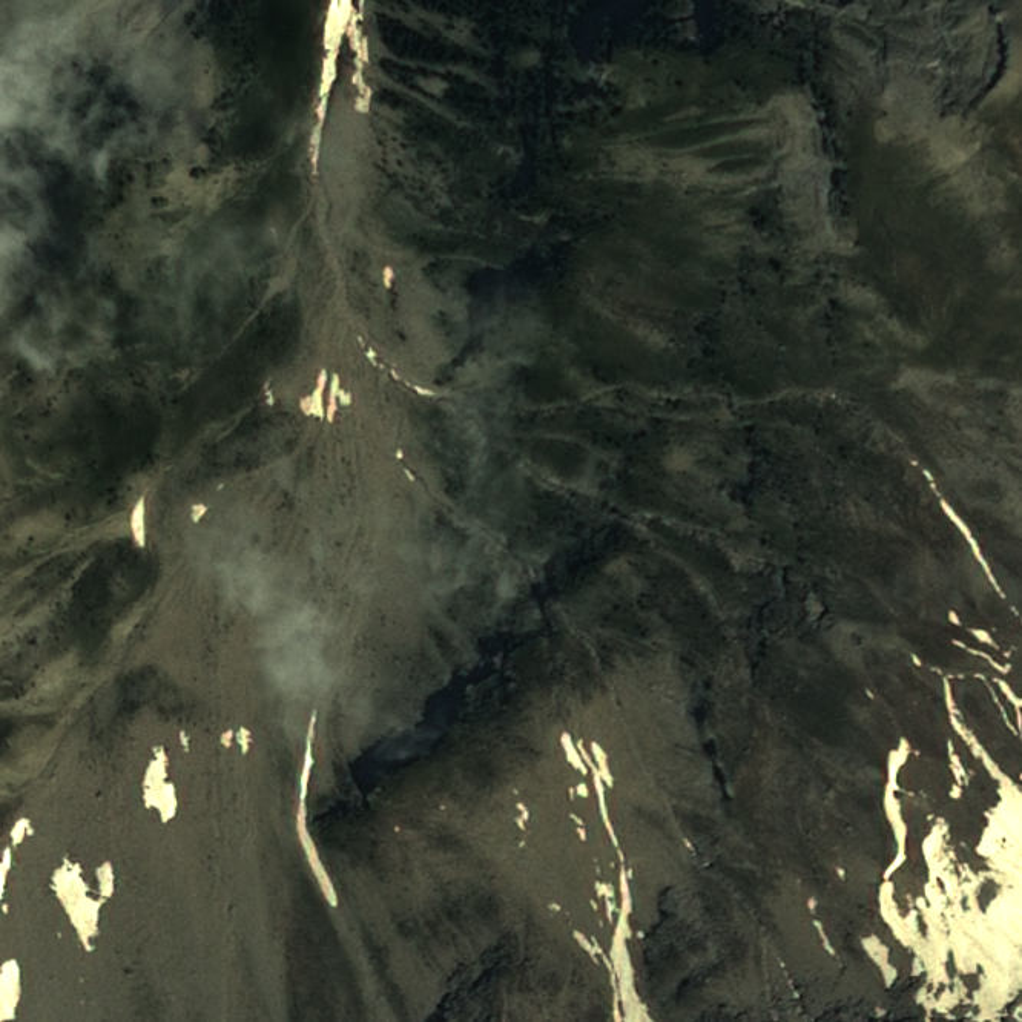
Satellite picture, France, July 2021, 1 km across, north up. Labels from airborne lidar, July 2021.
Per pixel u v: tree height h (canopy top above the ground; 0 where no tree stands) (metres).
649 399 0
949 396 0
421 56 9
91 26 0
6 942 0
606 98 12
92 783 0
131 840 0
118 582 0
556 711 0
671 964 0
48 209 0
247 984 0
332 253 0
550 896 0
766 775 0
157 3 0
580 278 0
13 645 0
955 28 0
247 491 0
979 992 0
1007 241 0
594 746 0
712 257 0
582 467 0
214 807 0
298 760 0
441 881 0
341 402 0
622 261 0
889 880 0
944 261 0
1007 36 0
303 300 0
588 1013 0
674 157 0
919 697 0
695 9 0
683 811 0
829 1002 0
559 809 0
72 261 0
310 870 0
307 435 0
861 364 0
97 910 0
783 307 0
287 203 0
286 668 0
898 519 0
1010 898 0
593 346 0
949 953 0
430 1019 0
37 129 9
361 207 0
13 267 0
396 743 0
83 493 0
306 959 0
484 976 0
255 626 0
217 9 13
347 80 0
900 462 0
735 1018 0
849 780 0
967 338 0
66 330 0
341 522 0
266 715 0
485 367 0
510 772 0
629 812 0
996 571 0
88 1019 0
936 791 0
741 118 0
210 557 0
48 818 0
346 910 0
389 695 0
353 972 0
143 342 0
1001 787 0
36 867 0
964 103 0
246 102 0
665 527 0
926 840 0
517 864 0
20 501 0
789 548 0
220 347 0
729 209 0
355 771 0
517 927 0
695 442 0
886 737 0
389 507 0
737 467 0
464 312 0
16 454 0
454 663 0
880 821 0
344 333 0
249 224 0
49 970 0
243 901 0
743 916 0
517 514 0
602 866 0
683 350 0
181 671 0
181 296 0
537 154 10
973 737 0
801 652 0
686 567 0
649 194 0
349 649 0
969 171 0
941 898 0
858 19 0
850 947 0
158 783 0
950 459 0
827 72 0
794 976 0
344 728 0
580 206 0
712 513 0
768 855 0
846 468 0
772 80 0
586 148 0
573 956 0
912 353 0
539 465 0
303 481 0
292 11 0
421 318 0
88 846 0
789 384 0
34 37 0
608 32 11
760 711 0
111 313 0
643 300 0
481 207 0
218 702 0
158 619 0
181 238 0
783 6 0
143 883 0
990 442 0
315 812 0
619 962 0
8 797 0
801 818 0
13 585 0
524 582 0
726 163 0
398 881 0
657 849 0
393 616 0
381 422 0
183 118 0
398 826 0
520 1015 0
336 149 0
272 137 0
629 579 0
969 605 0
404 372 0
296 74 0
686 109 0
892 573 0
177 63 0
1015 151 0
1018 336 0
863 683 0
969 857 0
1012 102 0
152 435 0
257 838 0
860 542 0
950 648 0
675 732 0
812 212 0
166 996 0
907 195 0
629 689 0
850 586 0
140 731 0
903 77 0
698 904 0
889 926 0
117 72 7
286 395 0
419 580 0
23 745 0
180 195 0
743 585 0
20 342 0
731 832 0
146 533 0
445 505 0
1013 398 0
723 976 0
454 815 0
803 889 0
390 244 0
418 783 0
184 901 0
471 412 0
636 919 0
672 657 0
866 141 0
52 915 0
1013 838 0
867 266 0
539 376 0
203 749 0
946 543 0
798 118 0
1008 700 0
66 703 0
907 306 0
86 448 0
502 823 0
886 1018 0
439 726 0
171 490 0
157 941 0
